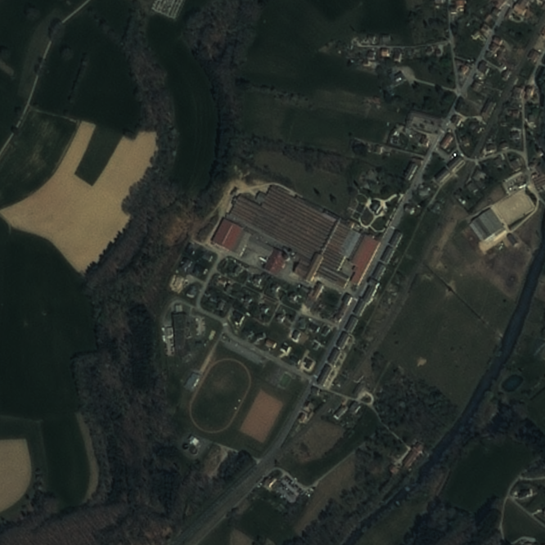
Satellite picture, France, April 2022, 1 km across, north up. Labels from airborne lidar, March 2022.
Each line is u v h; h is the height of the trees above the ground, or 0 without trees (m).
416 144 0
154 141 0
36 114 0
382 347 0
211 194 20
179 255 11
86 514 26
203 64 26
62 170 0
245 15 30
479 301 0
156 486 31
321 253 0
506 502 0
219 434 0
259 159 0
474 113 0
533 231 0
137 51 21
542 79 8
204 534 0
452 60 8
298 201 0
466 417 0
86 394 20
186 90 0
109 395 22
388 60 13
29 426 0
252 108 0
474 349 0
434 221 0
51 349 0
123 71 0
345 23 0
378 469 16
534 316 0
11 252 0
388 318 0
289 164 0
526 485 0
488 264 0
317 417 0
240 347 0
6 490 0
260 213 0
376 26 0
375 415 0
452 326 0
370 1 0
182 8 0
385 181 19
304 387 0
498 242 0
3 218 0
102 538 28
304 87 0
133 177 0
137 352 17
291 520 15
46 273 0
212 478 0
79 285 0
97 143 0
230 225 0
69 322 0
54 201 0
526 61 0
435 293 0
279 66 0
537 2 0
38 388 0
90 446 0
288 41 0
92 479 0
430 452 19
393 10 0
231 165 24
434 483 31
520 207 0
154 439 18
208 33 25
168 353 0
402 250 0
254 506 0
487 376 0
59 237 0
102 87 0
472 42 0
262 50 0
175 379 0
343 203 0
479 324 0
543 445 34
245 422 0
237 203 0
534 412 0
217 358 0
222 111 17
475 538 22
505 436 17
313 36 0
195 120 0
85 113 0
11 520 0
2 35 0
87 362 21
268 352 0
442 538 22
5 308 0
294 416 0
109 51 0
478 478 0
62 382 0
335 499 0
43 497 17
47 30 0
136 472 20
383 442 13
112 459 15
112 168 0
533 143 6
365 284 0
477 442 19
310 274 0
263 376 0
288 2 0
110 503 16
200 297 0
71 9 0
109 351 19
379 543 0
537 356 0
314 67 0
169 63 0
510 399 0
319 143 0
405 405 13
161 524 28
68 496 0
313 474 0
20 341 0
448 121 0
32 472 0
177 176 0
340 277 0
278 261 0
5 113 0
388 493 17
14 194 0
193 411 0
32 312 0
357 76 0
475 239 0
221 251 0
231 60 25
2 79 0
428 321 0
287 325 0
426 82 0
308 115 0
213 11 11
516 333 0
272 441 0
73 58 11
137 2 10
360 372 0
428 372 0
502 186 0
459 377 0
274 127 0
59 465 0
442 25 19
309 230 0
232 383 0
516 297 0
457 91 0
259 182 0
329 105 0
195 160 0
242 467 22
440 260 0
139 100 13
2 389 0
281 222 0
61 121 0
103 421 23
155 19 0
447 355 0
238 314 0
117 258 24
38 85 0
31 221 0
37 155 0
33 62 0
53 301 0
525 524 0
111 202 0
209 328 0
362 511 14
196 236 0
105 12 0
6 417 0
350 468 0
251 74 0
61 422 0
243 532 0
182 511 33
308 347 0
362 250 0
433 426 24
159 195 24
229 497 0
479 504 0
